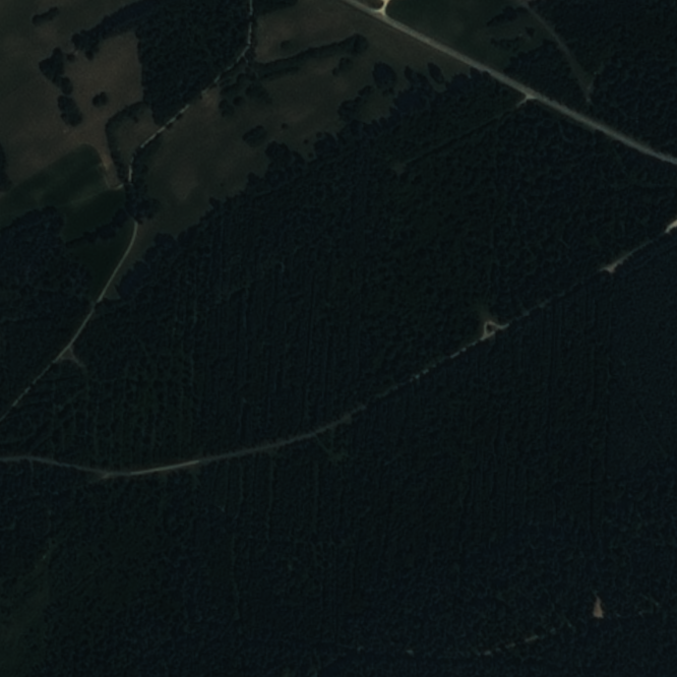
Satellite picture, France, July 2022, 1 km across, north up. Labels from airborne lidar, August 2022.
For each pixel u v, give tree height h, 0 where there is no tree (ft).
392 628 76
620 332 60
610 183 59
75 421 28
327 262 39
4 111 0
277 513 31
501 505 47
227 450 35
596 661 90
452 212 24
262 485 31
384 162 23
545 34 0
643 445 62
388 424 56
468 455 23
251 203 38
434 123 31
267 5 25
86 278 79
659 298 62
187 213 0
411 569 74
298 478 21
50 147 0
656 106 50
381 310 20
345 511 32
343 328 38
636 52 37
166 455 20
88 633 51
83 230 0
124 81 0
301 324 53
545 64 42
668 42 37
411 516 32
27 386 28
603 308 43
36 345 47
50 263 26
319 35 0
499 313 58
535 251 45
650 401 58
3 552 70
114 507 26
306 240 33
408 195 21
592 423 56
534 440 38
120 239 0
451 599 59
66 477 70
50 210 45
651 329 66
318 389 41
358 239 51
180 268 31
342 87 0
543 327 37
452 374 57
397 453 23
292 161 20
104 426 35
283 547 36
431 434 61
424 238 22
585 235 65
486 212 37
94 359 48
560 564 61
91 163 0
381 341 32
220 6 42
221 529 64
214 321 34
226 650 71
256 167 0
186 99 43
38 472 24
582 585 88
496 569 87
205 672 45
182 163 0
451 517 43
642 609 60
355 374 47
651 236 66
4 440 22
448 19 0
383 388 56
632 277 55
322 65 0
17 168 0
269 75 30
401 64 0
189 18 25
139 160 41
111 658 68
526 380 28
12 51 0
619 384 51
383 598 78
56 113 0
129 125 0
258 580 39
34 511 57
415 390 46
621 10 73
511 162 45
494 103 33
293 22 0
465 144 55
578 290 47
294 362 36
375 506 37
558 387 43
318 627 23
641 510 78
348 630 76
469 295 51
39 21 28
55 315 66
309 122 0
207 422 58
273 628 44
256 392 37
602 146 70
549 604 97
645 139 64
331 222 40
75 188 0
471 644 74
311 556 36
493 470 41
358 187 53
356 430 49
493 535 54
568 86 52
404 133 31
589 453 54
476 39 0
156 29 34
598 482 24
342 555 36
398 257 23
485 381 47
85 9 0
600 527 39
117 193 0
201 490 26
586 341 31
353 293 31
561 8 52
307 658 82
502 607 104
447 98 44
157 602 23
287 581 45
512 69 44
